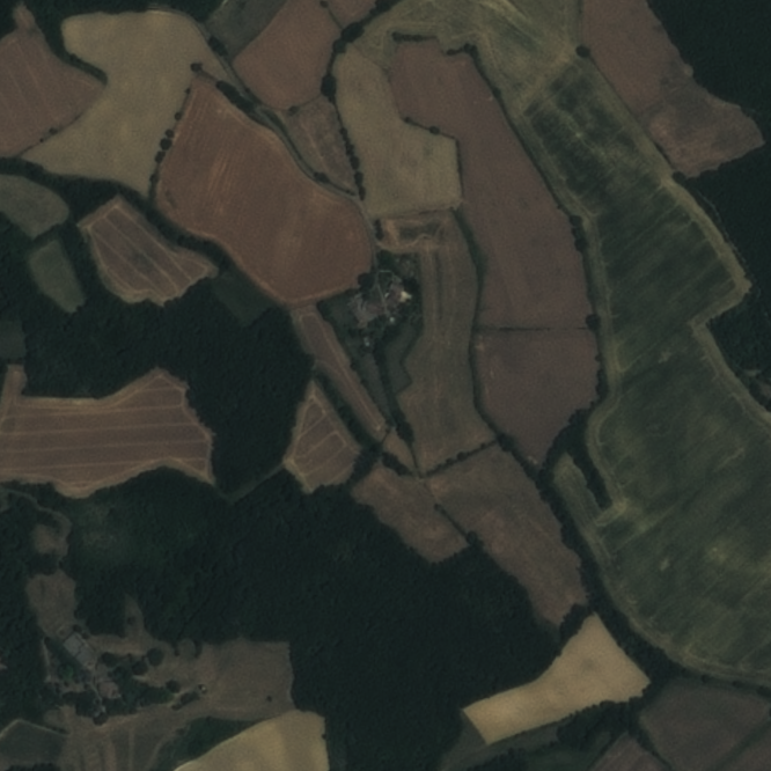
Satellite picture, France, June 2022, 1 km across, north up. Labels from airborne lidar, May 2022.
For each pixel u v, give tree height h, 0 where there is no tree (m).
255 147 0
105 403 0
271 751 0
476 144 0
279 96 0
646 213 0
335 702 17
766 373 13
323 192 0
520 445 0
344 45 15
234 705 0
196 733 6
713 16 16
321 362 0
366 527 22
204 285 18
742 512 0
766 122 15
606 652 0
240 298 0
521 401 0
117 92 0
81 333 17
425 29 0
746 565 0
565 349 0
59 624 0
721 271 0
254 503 13
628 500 0
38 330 18
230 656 0
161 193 0
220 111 0
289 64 0
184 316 20
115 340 8
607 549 0
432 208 0
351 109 0
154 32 0
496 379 0
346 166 0
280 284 0
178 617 7
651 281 0
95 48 0
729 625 0
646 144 0
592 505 0
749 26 15
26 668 21
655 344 0
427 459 0
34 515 12
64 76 0
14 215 0
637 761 0
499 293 0
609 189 0
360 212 0
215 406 16
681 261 0
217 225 0
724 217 11
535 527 0
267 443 16
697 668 0
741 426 0
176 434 0
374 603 19
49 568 21
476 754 0
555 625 0
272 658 0
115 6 17
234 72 0
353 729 17
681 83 0
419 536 0
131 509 10
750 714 0
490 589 20
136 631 0
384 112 0
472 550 14
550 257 0
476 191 0
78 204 15
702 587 0
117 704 12
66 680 15
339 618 17
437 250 0
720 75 20
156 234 0
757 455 0
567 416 0
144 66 0
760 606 0
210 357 22
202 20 14
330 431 0
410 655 19
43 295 10
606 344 0
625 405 0
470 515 0
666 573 0
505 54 0
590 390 0
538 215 0
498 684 15
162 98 0
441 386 0
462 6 0
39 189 0
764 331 13
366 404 0
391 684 19
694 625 0
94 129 0
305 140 0
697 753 0
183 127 0
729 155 0
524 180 0
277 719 0
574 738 24
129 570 11
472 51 11
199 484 10
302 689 19
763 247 13
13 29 11
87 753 0
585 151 0
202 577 16
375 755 16
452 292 0
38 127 0
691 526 0
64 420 0
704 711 0
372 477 0
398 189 0
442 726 15
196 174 0
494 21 0
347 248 0
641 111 0
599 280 0
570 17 0
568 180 0
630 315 0
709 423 0
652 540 0
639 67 0
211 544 12
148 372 15
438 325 0
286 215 0
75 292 0
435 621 17
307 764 0
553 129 0
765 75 17
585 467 13
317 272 0
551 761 0
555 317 0
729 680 0
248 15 0
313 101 0
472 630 20
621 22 0
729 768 0
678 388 0
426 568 17
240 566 15
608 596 23
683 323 0
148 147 0
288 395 18
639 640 15
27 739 0
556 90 0
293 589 17
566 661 0
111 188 14
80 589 12
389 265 11
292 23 0
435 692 16
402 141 0
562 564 0
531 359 0
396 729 15
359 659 17
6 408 0
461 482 0
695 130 0
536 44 0
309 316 0
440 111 0
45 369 11
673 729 0
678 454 0
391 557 19
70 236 19
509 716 0
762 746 0
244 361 18
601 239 0
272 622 16
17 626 22
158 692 18
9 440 0
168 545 13
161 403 0
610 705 15
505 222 0
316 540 21
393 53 0
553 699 0
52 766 14
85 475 0
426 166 0
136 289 0
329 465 0
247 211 0
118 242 0
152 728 0
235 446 18
